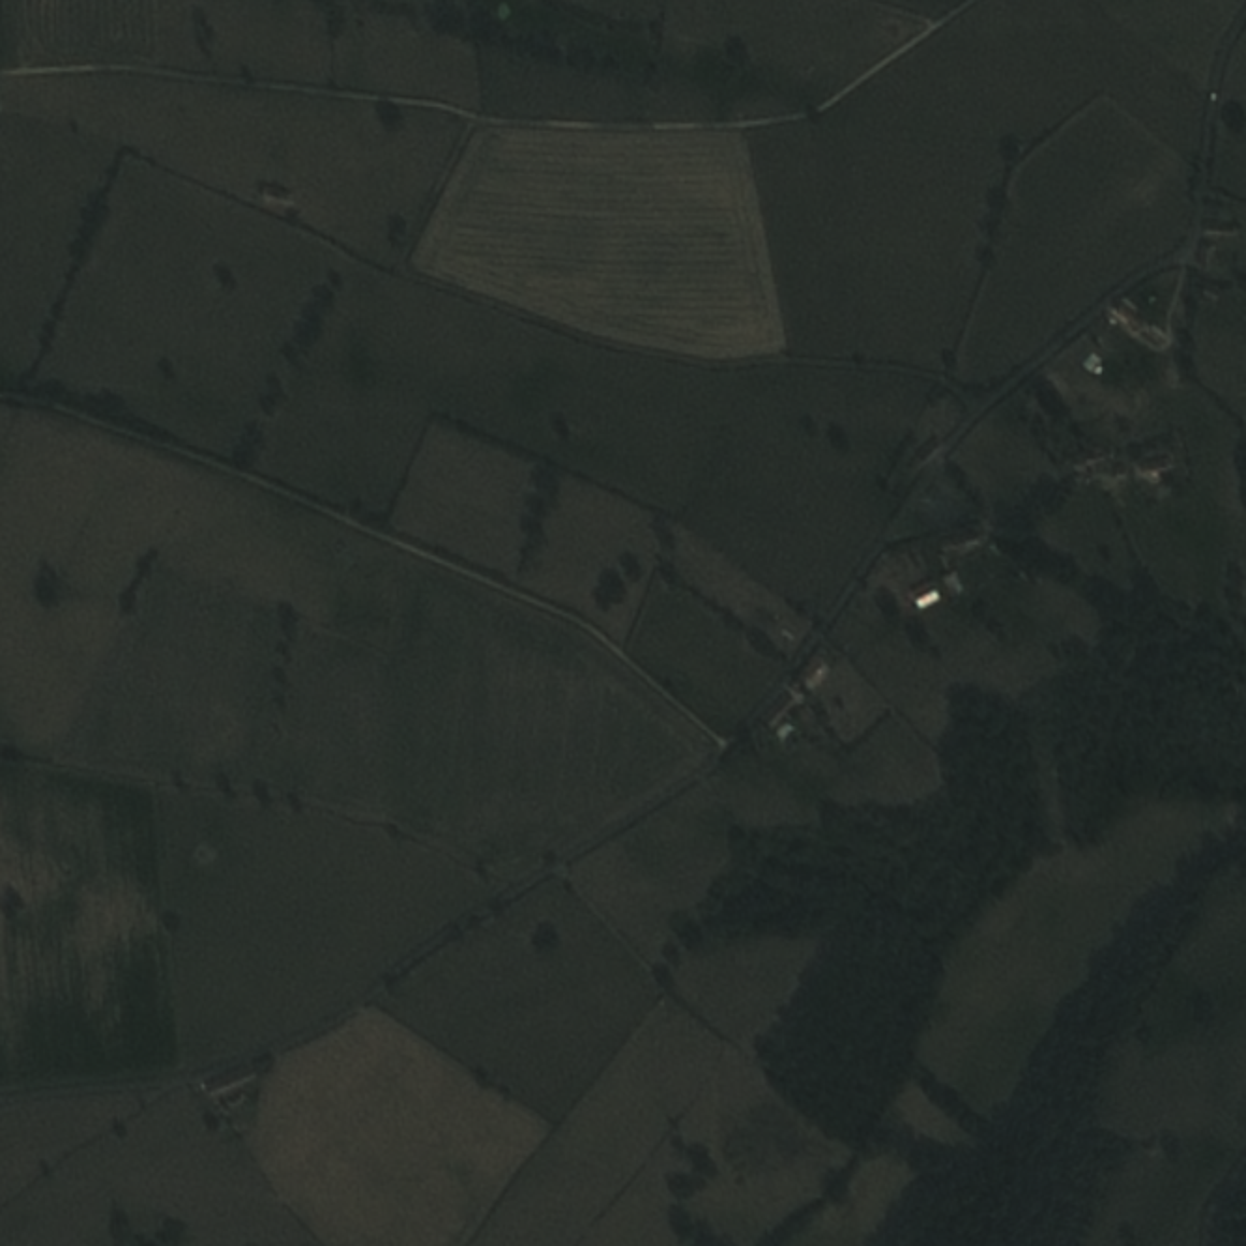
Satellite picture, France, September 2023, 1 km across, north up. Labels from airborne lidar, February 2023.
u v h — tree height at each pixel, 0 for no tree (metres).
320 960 0
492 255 0
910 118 0
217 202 0
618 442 0
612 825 0
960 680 0
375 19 0
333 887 0
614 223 0
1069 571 18
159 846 0
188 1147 0
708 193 0
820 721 7
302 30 0
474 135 0
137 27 0
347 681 0
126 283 0
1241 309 0
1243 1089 0
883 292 0
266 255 0
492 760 0
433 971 0
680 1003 0
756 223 0
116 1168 0
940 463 0
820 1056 20
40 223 0
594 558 0
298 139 0
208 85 0
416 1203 0
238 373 0
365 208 0
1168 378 0
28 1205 0
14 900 15
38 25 0
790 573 0
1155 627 15
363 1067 0
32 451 0
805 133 0
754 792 0
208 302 0
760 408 0
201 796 0
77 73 0
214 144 0
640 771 0
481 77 0
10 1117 0
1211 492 0
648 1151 0
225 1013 0
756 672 0
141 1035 0
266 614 0
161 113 0
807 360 0
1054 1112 26
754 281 0
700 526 0
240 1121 0
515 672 0
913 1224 23
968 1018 0
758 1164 0
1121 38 0
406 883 0
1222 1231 11
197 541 0
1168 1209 0
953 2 0
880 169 0
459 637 0
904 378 0
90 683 0
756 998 0
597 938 0
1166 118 0
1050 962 0
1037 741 6
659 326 0
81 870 0
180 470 0
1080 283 0
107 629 0
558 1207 0
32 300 0
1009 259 0
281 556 0
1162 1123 0
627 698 0
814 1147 0
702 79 0
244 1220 0
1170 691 16
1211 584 0
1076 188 0
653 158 0
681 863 0
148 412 0
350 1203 0
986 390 6
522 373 0
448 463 0
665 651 0
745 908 14
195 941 0
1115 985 23
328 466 0
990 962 0
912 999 25
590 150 0
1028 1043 0
